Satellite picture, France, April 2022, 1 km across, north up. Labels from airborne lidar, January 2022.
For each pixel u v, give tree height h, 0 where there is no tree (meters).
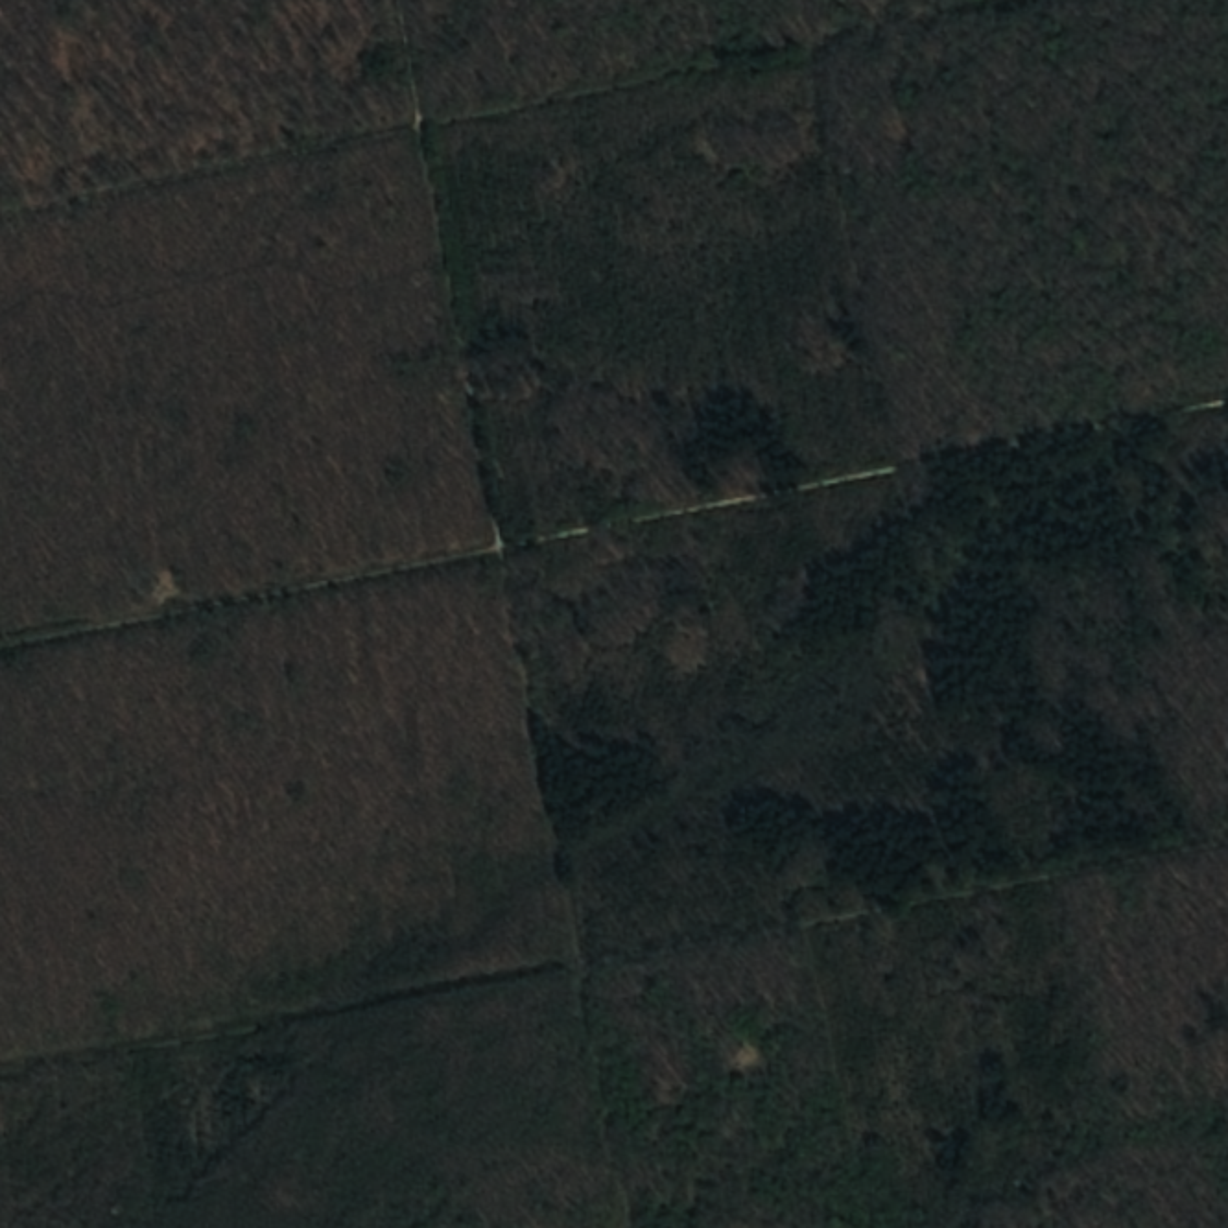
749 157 28
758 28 23
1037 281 28
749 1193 20
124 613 19
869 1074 7
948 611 7
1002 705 26
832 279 9
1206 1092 20
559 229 7
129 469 22
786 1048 22
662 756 29
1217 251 31
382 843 17
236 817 18
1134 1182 24
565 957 17
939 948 7
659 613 26
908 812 9
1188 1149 23
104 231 16
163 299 19
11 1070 0
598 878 9
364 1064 17
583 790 29
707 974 25
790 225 7
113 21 30
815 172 6
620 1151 20
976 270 30
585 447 22
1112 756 24
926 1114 8
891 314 29
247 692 17
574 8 25
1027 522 18
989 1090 23
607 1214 23
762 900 8
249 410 17
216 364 17
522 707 19
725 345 9
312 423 21
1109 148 25
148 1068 7
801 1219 24
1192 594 31
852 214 10
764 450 31
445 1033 19
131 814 17
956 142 31
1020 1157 7
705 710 10
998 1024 22
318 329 17
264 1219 16
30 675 14
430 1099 15
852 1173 18
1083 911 21
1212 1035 21
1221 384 22
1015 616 31
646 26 0
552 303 8
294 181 19
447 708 17
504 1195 23
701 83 8
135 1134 18
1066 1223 24
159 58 30
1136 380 28
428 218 17
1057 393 30
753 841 28
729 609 8
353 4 0
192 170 19
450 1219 21
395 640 16
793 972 23
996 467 26
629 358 12
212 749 18
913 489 26
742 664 7
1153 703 27
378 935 18
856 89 27
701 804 10
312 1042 13
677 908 7
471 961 20
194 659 16
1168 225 31
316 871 17
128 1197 15
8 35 29
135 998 18
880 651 29
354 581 0
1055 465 33
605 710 9
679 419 32
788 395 11
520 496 8
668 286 9
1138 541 27
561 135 10
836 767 9
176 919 14
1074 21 26
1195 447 8
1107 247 32
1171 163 31
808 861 28
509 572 19
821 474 7
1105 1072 23
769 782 9
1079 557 31
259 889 21
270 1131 15
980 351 25
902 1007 6
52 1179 13
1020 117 33
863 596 25
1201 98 30
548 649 25
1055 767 28
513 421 8
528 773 22
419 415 18
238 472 18
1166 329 14
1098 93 32
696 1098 25
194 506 16
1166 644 29
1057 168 28
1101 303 32
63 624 15
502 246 8
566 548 8
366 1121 20
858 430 9
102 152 0
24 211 22
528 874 17
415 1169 17
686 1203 18
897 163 31
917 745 7
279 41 25
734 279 6
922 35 26
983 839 25
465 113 16
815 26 8
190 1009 16
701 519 9
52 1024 17
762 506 23
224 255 18
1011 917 7
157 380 19
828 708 22
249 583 16
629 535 8
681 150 10
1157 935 20
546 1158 21
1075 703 25
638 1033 23
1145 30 30
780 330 9
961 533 24
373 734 15
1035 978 7
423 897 20
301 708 15
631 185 8
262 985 14
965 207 29
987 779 33
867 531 9
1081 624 28
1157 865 23
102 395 18
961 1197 22
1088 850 21
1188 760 24
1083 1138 15
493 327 11
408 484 18
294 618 17
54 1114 14
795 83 9
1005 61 32
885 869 32
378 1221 23
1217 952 24
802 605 27
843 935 6
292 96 28
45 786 18
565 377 7
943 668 30
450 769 18
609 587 7
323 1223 17
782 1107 21
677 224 7
